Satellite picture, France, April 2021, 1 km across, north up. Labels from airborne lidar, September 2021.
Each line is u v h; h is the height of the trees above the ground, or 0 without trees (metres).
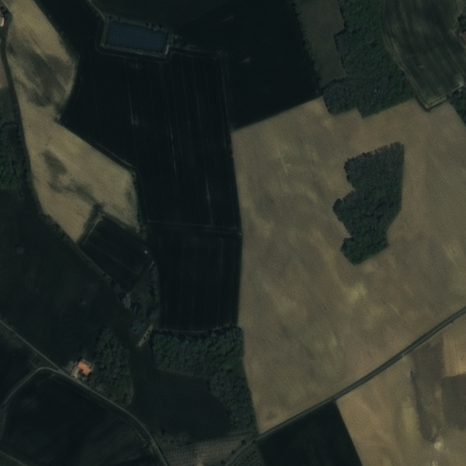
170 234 0
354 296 0
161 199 0
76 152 0
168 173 0
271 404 0
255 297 0
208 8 0
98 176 0
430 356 0
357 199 17
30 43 0
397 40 0
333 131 0
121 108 0
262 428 0
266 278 0
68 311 0
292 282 0
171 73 0
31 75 0
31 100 0
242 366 0
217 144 0
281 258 0
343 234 0
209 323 0
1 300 0
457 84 0
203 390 0
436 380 0
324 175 0
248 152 0
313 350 0
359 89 19
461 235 0
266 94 0
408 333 0
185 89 0
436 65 0
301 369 0
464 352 0
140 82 0
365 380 0
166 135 0
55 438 0
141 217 7
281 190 0
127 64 0
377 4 14
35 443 0
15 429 0
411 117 0
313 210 0
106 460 0
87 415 0
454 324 0
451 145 0
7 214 0
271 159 0
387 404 0
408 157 0
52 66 0
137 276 0
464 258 0
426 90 0
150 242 0
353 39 18
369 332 0
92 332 0
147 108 0
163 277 0
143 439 0
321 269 0
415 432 0
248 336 0
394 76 25
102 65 0
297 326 0
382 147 0
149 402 0
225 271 0
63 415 0
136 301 0
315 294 0
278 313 0
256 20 0
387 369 0
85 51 0
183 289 0
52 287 0
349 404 0
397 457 0
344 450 0
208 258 0
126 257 0
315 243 0
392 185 19
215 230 0
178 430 0
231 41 0
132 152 0
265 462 0
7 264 0
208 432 0
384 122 0
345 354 0
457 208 0
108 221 0
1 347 0
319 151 0
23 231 0
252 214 0
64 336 0
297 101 0
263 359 0
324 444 0
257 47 0
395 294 0
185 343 26
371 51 22
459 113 7
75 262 0
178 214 0
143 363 0
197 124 0
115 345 20
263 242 0
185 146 0
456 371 0
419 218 0
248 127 0
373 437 0
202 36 0
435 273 0
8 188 18
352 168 18
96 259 0
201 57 0
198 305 0
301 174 0
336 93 21
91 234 0
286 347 0
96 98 0
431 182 0
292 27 0
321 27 0
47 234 0
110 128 0
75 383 0
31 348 0
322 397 0
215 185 0
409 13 0
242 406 16
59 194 0
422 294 0
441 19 0
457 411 0
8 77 0
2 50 0
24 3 0
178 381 0
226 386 17
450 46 0
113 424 0
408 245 0
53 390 0
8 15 19
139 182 0
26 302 0
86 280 0
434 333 0
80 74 0
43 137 0
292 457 0
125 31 0
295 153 0
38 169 0
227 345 25
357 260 19
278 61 0
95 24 0
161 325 0
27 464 0
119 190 0
